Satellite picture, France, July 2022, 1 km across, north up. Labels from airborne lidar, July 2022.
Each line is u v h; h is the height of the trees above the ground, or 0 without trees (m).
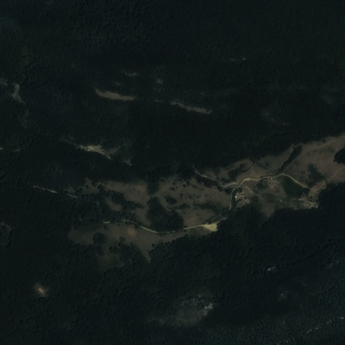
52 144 19
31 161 23
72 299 19
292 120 12
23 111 14
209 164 17
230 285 21
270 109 6
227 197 0
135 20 17
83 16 24
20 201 27
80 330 21
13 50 12
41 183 20
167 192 0
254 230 14
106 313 14
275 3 18
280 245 18
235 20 15
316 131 16
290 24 10
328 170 0
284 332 16
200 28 16
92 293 17
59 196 15
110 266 0
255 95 16
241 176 0
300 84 10
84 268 19
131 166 13
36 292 10
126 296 20
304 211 9
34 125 13
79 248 17
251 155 7
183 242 16
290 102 13
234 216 7
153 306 12
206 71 9
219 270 9
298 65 7
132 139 9
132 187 0
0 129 24
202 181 8
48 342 25
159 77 9
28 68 17
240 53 10
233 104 11
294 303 15
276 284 14
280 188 0
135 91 10
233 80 19
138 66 14
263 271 11
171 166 17
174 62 17
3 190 21
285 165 8
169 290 14
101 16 21
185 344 18
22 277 19
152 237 0
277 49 12
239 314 13
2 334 16
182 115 9
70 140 8
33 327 9
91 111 6
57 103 9
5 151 14
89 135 12
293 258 22
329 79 11
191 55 11
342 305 16
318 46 12
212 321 16
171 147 12
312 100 17
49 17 17
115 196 9
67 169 16
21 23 15
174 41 21
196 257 16
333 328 15
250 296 20
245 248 11
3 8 9
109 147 8
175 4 16
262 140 6
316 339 8
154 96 8
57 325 16
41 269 19
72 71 12
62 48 13
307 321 17
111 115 8
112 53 16
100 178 12
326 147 0
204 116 12
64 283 20
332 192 13
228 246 22
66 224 21
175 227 17
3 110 19
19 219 26
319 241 21
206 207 6
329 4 16
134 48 17
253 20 15
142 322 10
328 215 13
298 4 14
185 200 0
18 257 19
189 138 10
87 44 8
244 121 18
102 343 14
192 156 15
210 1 16
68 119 9
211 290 11
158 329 9
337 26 14
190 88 10
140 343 20
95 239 14
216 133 17
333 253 8
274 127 17
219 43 12
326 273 7
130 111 12
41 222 19
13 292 16
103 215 7
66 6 11
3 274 18
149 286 14
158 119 16
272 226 12
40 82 15
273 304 6
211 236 12
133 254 11
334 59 8
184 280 12
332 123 17
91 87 7
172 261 15
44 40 19
